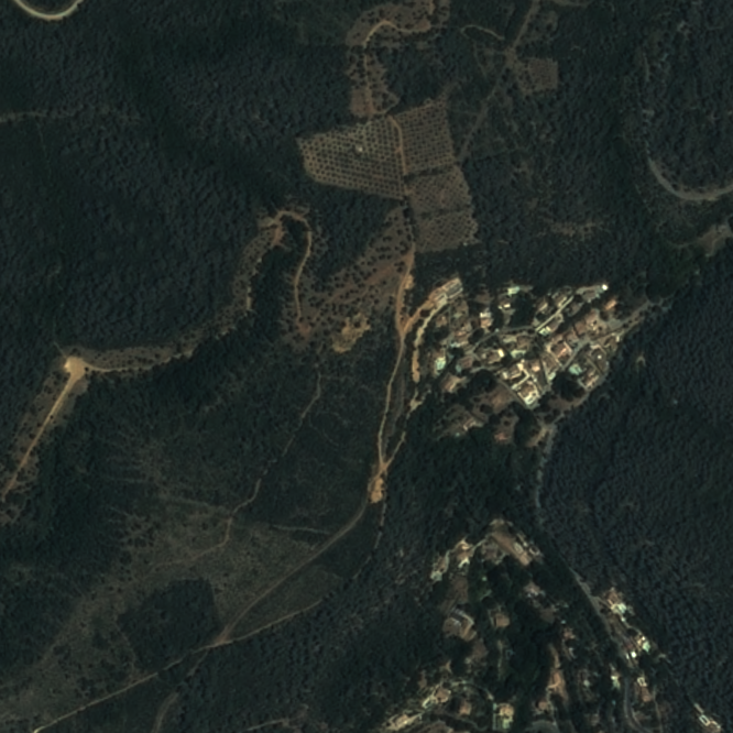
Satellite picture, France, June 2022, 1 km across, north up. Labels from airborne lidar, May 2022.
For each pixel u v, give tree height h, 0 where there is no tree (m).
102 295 7
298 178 17
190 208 17
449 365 6
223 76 17
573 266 7
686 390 16
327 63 10
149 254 8
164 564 0
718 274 10
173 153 6
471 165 15
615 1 7
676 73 9
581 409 9
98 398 12
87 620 0
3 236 16
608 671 18
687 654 21
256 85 16
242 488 10
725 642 17
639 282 9
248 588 0
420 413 10
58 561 9
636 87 8
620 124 12
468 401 11
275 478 7
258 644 19
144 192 16
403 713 11
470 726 18
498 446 19
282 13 7
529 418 21
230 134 19
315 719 8
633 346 20
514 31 10
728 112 17
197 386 10
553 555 20
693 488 16
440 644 20
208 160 6
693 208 9
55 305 12
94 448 9
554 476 17
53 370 24
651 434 14
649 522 15
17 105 9
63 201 7
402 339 0
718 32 13
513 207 18
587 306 10
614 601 0
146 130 6
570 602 12
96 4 10
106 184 12
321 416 8
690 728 11
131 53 9
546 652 21
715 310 20
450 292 0
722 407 16
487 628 15
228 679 6
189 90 18
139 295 19
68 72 21
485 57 6
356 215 18
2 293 10
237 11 9
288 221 12
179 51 15
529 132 8
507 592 26
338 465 10
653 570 22
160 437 6
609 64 11
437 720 14
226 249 8
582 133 17
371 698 16
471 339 11
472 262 7
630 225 12
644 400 13
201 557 0
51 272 18
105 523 9
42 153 7
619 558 22
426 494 8
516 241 17
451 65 14
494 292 9
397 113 9
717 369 17
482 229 7
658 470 18
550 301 6
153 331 20
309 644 24
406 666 16
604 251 22
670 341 18
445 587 7
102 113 13
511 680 14
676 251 9
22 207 6
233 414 10
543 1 8
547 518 20
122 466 6
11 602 13
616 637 10
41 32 17
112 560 7
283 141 17
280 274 7
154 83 12
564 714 14
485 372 11
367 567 10
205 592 8
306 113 22
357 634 7
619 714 13
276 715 8
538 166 7
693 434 8
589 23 13
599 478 6
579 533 20
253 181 12
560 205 13
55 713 0
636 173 9
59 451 15
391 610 15
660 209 6
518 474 13
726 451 16
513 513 16
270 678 6
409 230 7
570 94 21
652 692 8
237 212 15
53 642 6
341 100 20
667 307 8
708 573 15
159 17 12
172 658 19
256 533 0
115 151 16
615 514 21
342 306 6
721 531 12
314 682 21
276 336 8
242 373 10
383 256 8
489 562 13
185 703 9
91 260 6
